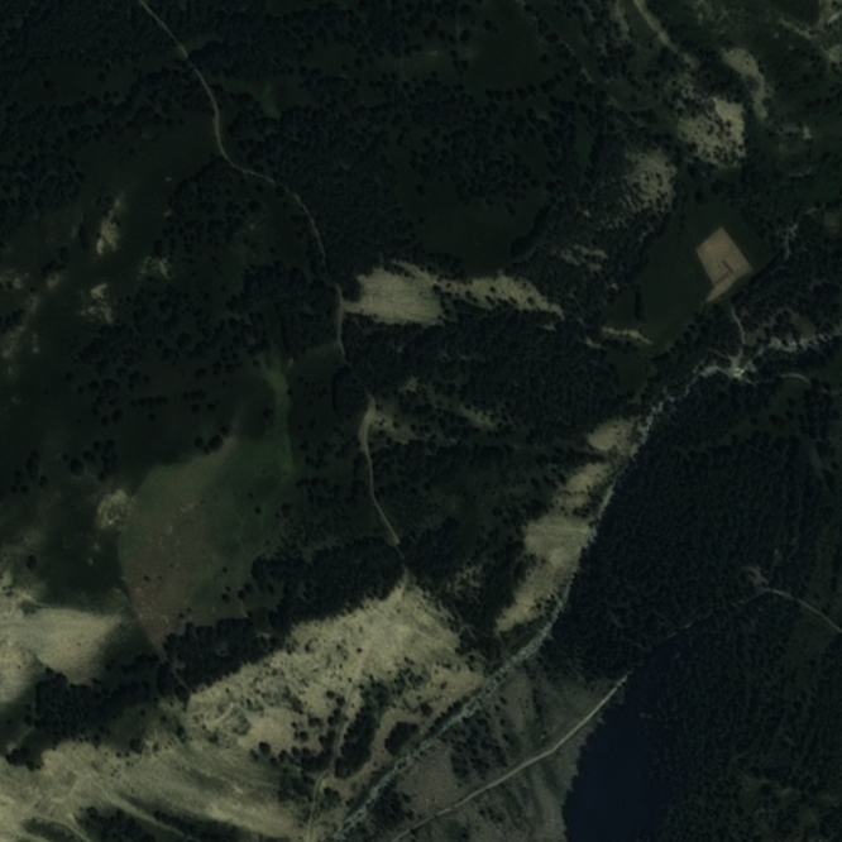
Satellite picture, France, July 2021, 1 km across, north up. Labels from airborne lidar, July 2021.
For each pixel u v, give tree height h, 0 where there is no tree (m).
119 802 0
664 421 8
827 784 16
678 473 25
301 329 18
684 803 12
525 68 0
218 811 0
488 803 0
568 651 8
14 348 0
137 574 0
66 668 0
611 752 0
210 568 0
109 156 0
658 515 22
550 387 13
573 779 0
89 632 0
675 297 0
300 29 12
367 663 0
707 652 14
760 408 22
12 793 0
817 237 10
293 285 29
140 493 0
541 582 0
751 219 8
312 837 0
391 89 18
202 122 0
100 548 0
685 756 14
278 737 0
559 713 0
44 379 0
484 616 14
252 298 21
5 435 0
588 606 24
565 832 0
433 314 0
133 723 0
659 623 22
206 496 0
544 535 0
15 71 24
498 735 0
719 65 14
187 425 0
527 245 27
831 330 15
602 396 19
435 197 0
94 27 20
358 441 11
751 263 0
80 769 0
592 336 19
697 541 19
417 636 0
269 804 0
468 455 25
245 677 0
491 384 24
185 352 12
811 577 13
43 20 23
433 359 21
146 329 22
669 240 0
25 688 0
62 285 0
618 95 0
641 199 8
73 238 0
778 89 6
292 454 0
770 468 25
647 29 0
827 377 0
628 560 20
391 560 23
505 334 20
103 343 17
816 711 14
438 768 0
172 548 0
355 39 13
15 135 13
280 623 23
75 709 15
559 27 0
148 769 0
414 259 7
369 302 0
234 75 19
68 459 9
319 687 0
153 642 0
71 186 23
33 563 18
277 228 0
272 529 0
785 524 10
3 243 18
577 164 21
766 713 14
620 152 12
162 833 0
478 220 0
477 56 0
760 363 15
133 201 0
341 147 22
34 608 0
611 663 14
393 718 0
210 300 17
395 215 18
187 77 18
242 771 0
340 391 19
